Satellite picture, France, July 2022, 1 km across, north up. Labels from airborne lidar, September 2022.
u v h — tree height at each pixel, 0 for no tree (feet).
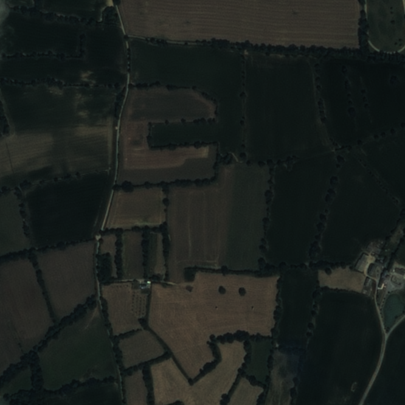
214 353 49
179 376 0
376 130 0
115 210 0
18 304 0
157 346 0
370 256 0
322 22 0
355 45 0
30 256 52
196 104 0
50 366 0
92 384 64
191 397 0
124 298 0
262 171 0
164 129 0
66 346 0
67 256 0
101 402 0
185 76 0
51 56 42
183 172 0
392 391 0
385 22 0
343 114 0
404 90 0
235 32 0
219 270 22
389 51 0
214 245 0
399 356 0
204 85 0
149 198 0
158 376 0
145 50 0
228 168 0
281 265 34
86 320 0
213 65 0
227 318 0
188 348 0
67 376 0
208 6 0
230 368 0
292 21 0
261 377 0
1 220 0
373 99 0
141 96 0
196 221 0
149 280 28
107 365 0
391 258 23
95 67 0
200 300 0
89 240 19
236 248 0
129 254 0
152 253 0
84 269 0
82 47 43
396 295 0
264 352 0
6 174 0
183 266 0
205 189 0
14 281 0
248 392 0
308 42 0
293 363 0
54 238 0
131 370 24
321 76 0
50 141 0
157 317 0
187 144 41
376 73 0
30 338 0
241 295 33
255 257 0
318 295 58
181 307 0
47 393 67
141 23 0
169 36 0
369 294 0
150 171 0
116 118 38
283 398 0
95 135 0
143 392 0
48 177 0
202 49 0
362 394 0
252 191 0
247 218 0
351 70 0
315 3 0
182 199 0
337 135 0
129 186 56
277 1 0
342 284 0
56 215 0
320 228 51
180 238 0
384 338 0
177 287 0
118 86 55
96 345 0
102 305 24
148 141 38
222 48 47
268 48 45
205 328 0
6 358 0
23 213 53
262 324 0
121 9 0
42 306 0
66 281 0
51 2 0
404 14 0
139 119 0
